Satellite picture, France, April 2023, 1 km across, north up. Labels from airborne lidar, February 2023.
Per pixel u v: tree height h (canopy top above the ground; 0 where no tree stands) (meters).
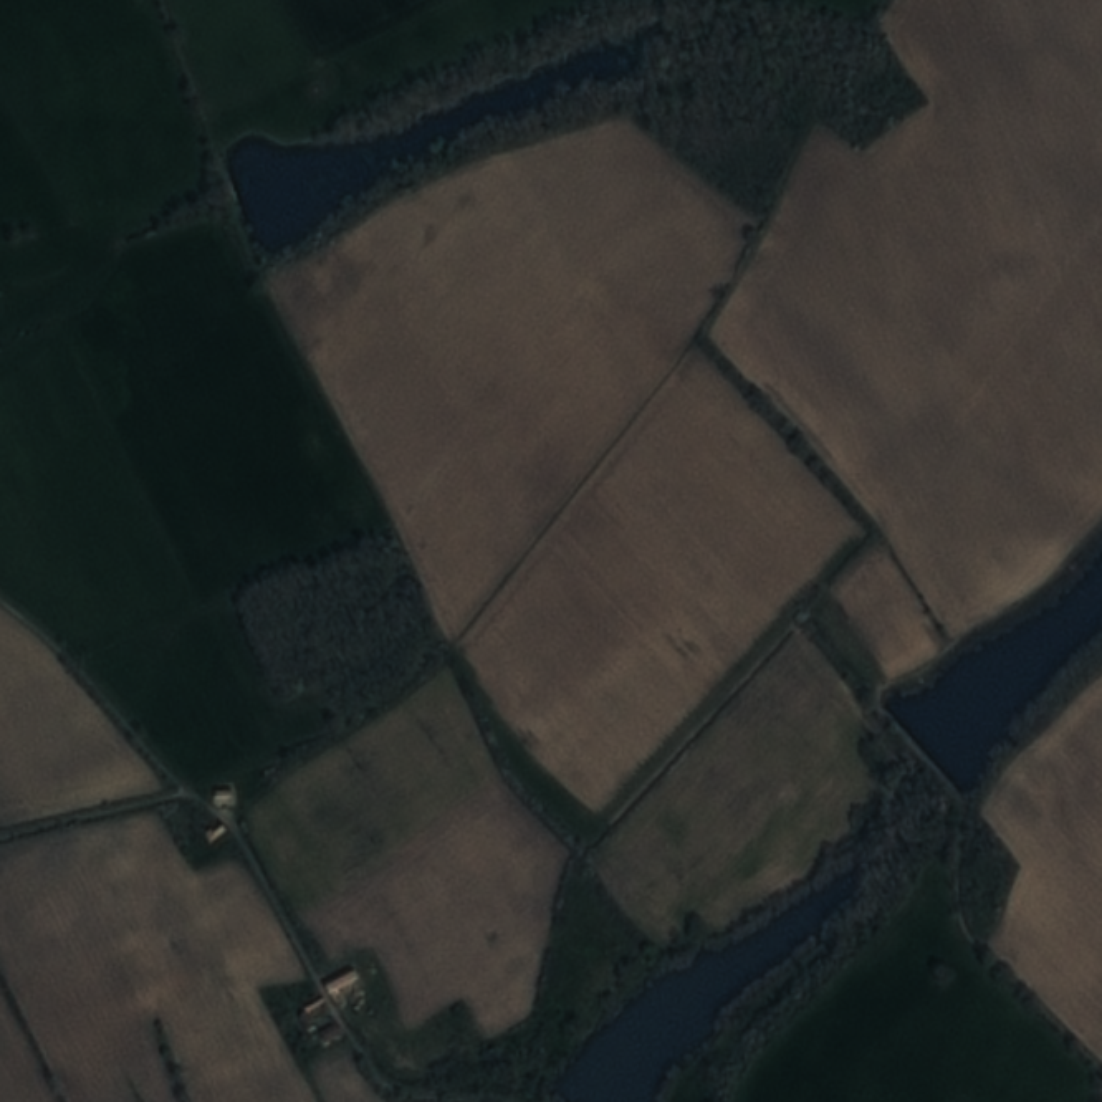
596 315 0
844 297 0
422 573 0
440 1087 11
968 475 0
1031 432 0
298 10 0
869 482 0
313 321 0
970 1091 0
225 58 0
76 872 0
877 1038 0
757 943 0
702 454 0
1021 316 0
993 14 0
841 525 0
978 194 0
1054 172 0
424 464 0
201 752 0
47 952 0
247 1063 0
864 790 0
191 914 0
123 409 0
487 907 0
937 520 0
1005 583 0
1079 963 0
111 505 0
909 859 25
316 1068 0
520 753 0
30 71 0
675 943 9
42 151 0
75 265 0
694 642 0
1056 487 0
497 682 0
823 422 0
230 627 0
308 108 0
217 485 0
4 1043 0
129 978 0
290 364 0
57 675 0
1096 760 0
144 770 0
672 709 0
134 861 0
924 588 0
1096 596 0
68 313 0
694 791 0
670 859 0
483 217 0
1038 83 0
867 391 0
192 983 0
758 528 0
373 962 0
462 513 0
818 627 10
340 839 0
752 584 0
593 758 0
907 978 0
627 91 20
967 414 0
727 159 17
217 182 12
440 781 0
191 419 0
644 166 0
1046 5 0
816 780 0
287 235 0
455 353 0
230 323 0
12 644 0
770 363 0
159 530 0
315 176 0
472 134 23
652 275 0
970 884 12
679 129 23
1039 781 0
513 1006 0
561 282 0
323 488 0
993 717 0
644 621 0
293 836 0
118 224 0
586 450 0
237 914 0
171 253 0
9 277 0
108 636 0
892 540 0
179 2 0
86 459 0
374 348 0
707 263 0
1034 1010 20
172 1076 13
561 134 19
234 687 0
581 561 0
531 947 0
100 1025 0
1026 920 0
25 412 0
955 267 0
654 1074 0
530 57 22
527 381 0
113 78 0
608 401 0
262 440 0
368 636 20
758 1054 7
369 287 0
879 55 7
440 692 0
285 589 22
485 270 0
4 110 0
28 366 0
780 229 0
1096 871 0
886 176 0
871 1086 0
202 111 13
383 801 0
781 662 0
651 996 0
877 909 26
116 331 0
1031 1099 0
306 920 0
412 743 0
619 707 0
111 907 0
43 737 0
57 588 0
